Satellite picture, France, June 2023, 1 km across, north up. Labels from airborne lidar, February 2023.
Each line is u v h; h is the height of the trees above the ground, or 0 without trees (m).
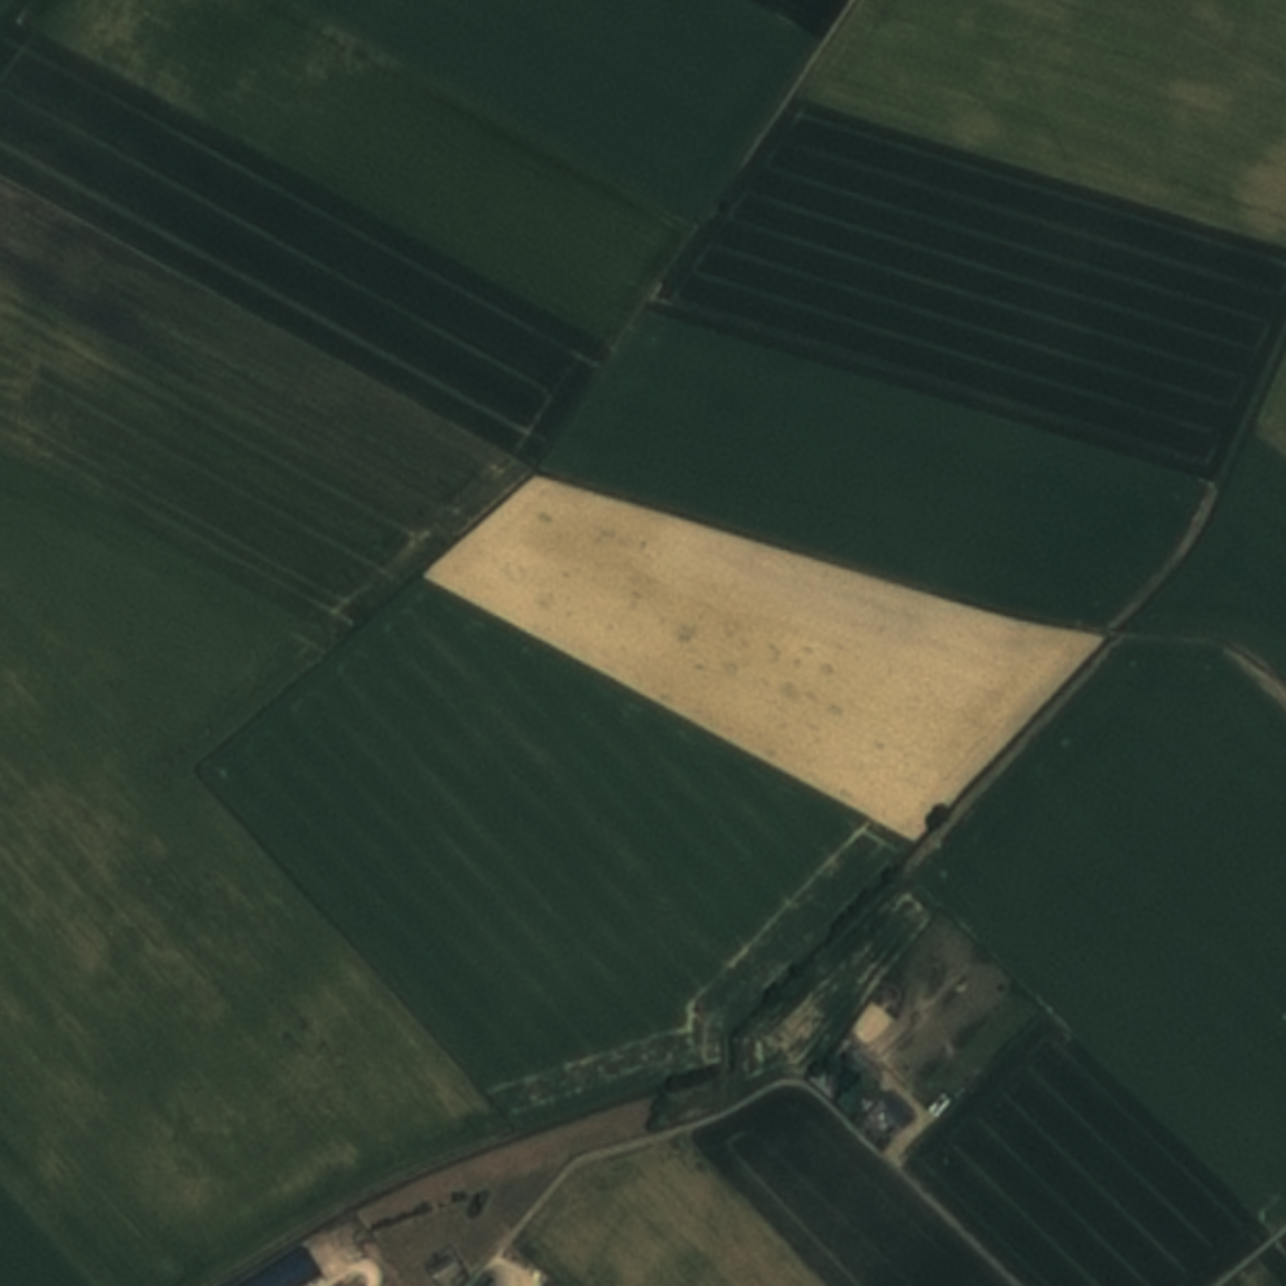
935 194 0
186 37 0
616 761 0
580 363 0
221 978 0
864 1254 0
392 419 0
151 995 0
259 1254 0
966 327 0
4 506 0
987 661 0
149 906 0
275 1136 0
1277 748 0
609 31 0
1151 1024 0
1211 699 0
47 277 0
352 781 0
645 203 0
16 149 0
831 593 0
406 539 0
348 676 0
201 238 0
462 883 0
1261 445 0
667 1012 0
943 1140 0
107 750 0
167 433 0
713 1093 0
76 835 0
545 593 0
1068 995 0
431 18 0
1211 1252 0
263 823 0
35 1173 0
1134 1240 0
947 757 0
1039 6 0
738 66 0
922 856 0
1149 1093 0
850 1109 12
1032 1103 0
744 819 0
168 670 0
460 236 0
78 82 0
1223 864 0
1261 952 0
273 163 0
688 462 0
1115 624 0
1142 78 0
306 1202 0
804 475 0
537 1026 0
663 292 0
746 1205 0
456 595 0
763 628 0
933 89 0
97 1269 0
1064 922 0
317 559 0
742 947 0
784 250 0
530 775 0
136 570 0
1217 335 0
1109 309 0
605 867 0
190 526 0
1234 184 0
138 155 0
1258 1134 0
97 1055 0
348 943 0
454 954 0
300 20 0
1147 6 0
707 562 0
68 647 0
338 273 0
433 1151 0
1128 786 0
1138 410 0
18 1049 0
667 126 0
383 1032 0
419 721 0
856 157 0
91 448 0
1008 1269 0
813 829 0
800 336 0
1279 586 0
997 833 0
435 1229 0
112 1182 0
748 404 0
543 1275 0
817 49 0
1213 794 0
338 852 0
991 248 0
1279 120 0
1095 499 0
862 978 0
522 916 0
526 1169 0
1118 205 0
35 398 0
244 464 0
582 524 0
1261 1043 0
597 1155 0
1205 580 0
